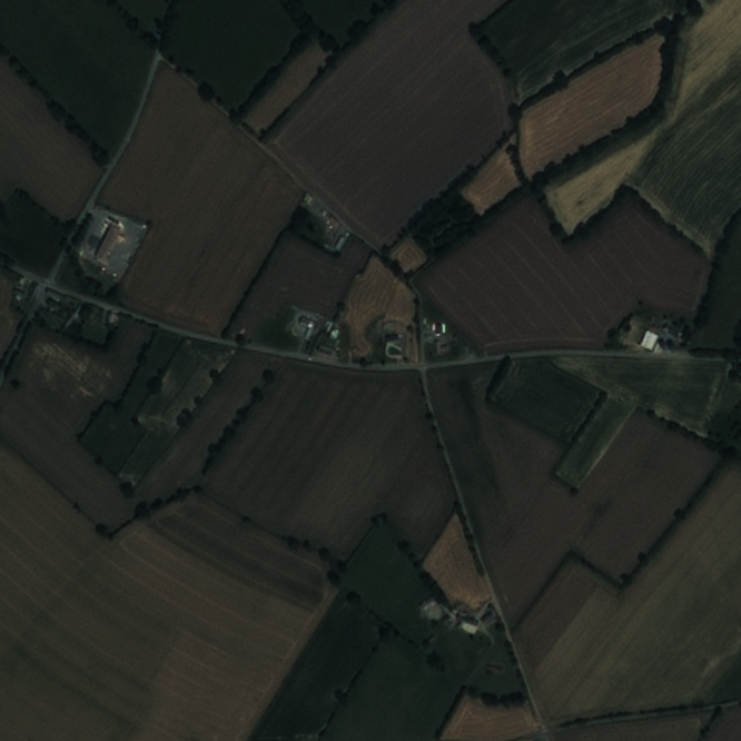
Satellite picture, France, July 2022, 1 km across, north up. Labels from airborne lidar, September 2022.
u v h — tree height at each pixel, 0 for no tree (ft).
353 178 0
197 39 0
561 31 0
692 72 0
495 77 0
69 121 35
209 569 0
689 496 0
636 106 0
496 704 42
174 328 0
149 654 0
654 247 0
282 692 0
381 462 0
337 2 0
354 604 50
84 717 0
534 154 0
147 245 0
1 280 0
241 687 0
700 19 0
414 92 0
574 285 0
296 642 0
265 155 0
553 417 0
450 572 0
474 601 0
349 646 0
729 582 0
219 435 0
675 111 0
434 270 0
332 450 0
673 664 0
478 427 0
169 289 0
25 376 0
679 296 0
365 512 0
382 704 0
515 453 0
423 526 0
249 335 0
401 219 0
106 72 0
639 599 0
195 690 0
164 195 0
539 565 0
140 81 0
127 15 37
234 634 0
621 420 0
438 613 0
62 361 0
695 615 0
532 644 0
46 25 0
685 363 0
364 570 0
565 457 0
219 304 0
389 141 0
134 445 0
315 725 0
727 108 0
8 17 0
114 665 0
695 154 0
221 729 0
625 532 0
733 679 0
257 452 0
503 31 0
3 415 0
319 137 0
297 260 0
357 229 0
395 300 0
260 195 0
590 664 0
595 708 0
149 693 0
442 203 45
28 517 0
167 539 0
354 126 0
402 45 0
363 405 0
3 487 0
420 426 0
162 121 0
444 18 0
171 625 0
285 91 0
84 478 0
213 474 0
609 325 0
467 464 0
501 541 0
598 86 0
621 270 0
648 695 0
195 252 0
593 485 0
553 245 0
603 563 0
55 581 0
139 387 0
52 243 0
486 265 0
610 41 0
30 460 0
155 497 0
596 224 45
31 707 0
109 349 33
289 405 0
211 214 0
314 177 0
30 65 0
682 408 0
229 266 0
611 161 0
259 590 0
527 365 0
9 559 0
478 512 0
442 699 0
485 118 0
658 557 0
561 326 0
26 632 0
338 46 23
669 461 0
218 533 0
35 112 0
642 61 0
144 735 0
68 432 0
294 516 0
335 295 0
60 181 0
